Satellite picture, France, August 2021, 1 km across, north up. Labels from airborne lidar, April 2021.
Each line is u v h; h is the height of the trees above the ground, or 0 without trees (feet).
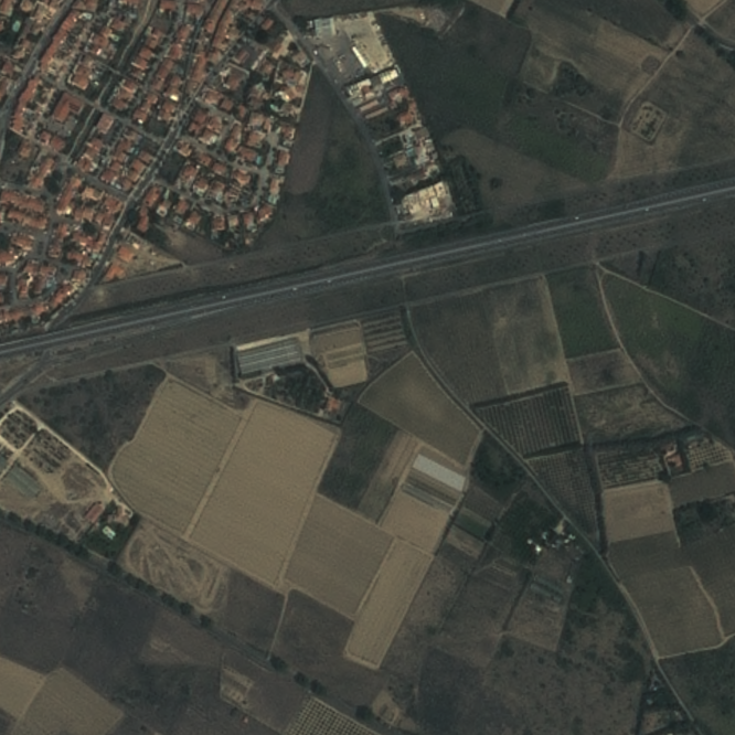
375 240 0
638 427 0
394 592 0
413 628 0
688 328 0
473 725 0
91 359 0
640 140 0
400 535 0
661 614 0
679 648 0
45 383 0
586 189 0
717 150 0
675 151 0
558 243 0
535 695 0
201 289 0
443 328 0
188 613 54
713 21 0
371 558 0
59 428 0
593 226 0
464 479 0
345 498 0
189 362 0
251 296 0
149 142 0
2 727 0
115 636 0
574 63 0
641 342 0
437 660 0
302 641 0
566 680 0
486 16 0
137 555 0
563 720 0
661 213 0
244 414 0
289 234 0
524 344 0
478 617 0
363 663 0
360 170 0
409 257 0
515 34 0
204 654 0
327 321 0
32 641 0
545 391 29
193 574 0
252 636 0
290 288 0
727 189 0
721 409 0
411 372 0
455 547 0
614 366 0
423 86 0
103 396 0
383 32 0
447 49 0
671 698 36
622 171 0
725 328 0
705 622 0
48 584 0
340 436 0
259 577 0
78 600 0
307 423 0
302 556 0
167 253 0
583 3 0
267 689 0
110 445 0
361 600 0
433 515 0
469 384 0
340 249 0
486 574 0
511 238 0
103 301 0
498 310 0
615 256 0
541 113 0
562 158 0
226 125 21
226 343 0
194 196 27
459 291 0
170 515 0
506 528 0
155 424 0
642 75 0
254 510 0
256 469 0
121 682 0
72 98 0
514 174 0
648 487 0
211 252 0
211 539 0
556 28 0
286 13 0
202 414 0
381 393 0
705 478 0
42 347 0
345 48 0
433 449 0
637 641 0
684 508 25
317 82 0
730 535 0
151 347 0
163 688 0
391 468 0
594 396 0
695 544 0
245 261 0
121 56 0
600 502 37
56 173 28
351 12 0
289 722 0
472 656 0
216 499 0
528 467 19
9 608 0
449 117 0
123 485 0
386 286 0
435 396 0
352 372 0
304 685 57
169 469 0
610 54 0
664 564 0
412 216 0
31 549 0
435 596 0
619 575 0
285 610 0
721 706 0
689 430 34
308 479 0
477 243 0
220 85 0
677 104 0
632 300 0
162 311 0
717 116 0
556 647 0
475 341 0
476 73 0
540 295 0
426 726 0
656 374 0
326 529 0
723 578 0
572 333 0
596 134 0
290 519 0
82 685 0
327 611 0
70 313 0
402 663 0
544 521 0
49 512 0
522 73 0
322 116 0
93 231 31
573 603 0
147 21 0
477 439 0
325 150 0
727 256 0
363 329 0
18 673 0
